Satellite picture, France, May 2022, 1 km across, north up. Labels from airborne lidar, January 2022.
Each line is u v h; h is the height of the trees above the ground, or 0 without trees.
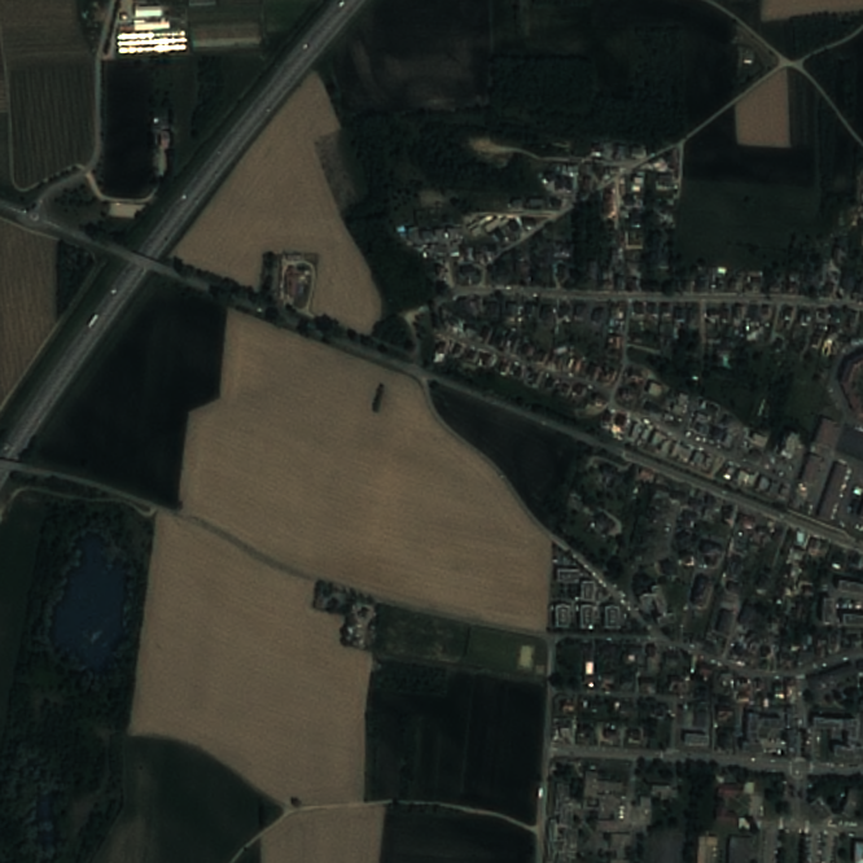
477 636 0
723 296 0
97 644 0
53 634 0
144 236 0
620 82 0
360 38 0
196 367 0
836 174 0
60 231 0
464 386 0
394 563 0
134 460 0
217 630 0
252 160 0
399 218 0
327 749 0
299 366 0
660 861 0
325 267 0
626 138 9
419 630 0
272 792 0
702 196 0
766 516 0
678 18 0
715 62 0
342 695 0
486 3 0
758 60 0
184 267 19
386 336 6
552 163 0
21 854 10
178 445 0
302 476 0
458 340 0
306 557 0
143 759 0
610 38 0
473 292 0
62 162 0
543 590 0
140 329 0
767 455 0
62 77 0
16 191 0
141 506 0
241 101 0
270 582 0
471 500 0
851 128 0
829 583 0
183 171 0
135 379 0
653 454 0
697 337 6
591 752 0
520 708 0
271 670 0
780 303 0
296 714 0
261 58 0
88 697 7
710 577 0
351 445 0
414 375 0
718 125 0
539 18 0
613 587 0
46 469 0
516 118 0
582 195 12
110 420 0
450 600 0
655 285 11
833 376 0
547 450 0
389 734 0
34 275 0
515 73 12
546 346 0
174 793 0
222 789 0
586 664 0
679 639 0
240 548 0
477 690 0
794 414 0
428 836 0
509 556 0
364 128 12
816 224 0
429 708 0
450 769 0
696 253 0
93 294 0
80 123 0
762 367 0
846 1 0
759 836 0
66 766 7
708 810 0
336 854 0
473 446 0
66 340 0
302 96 0
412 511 0
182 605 0
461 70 0
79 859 6
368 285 0
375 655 0
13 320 0
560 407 0
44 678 0
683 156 0
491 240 0
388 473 0
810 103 0
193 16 0
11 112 0
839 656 0
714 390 0
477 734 0
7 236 0
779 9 0
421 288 0
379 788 0
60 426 0
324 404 0
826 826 0
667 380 0
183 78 0
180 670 0
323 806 0
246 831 0
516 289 0
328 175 0
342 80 0
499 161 0
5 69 0
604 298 0
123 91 0
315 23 0
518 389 0
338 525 0
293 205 0
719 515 0
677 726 0
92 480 0
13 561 0
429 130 10
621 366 0
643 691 0
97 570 0
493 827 0
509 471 0
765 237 0
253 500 0
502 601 0
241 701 0
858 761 0
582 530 0
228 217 0
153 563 0
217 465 0
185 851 0
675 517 0
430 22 0
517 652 0
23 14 0
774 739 0
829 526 0
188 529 0
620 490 8
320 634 0
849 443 0
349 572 0
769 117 0
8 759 12
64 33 0
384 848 0
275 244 0
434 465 0
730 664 0
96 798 0
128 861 0
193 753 0
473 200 0
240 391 0
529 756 0
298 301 0
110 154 0
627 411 0
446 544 0
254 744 0
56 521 8
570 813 0
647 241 7
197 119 7
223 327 0
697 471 0
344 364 0
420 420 0
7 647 0
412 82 0
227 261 0
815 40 6
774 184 0
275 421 0
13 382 0
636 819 0
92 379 0
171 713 0
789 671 0
